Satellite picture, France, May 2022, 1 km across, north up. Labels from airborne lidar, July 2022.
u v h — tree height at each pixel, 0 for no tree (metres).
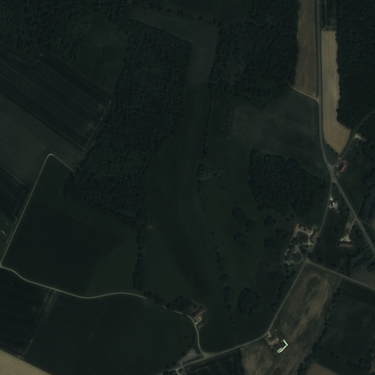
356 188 0
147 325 0
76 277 0
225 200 0
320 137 0
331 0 0
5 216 0
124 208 17
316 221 0
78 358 0
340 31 21
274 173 23
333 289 0
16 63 0
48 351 0
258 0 23
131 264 0
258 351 0
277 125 0
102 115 0
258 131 0
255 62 23
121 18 20
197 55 0
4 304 0
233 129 0
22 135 0
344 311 0
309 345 0
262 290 0
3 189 0
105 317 0
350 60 22
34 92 0
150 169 19
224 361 0
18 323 0
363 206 0
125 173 24
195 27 0
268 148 0
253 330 0
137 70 28
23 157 0
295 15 21
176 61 25
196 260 0
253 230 15
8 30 21
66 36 30
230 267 0
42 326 0
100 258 0
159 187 0
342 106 14
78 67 7
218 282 0
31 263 0
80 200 22
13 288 0
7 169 0
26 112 0
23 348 0
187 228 0
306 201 30
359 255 15
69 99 0
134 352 0
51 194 0
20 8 24
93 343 0
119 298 0
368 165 0
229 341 0
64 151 0
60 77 0
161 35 19
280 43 29
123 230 0
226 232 0
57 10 28
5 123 0
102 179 25
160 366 0
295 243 14
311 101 0
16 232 0
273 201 26
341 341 0
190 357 0
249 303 29
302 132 0
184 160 0
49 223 0
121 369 0
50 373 0
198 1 0
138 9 0
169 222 0
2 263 0
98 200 12
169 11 13
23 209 0
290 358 0
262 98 23
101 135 21
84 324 0
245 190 0
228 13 0
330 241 0
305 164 0
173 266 0
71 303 0
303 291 0
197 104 0
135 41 20
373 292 0
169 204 0
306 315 0
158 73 22
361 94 10
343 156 0
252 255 0
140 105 25
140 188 24
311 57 0
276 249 15
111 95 0
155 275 0
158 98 25
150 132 25
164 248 0
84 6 21
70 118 0
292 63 18
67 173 0
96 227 0
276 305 13
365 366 14
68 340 0
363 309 0
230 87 26
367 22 26
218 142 0
